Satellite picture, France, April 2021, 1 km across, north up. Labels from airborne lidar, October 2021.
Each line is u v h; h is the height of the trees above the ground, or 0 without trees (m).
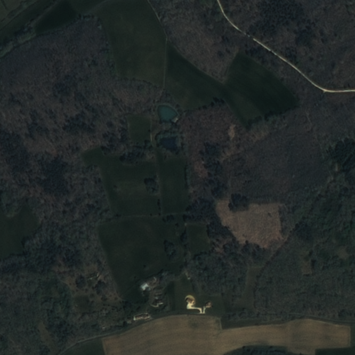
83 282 22
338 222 14
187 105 0
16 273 18
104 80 18
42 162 14
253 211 0
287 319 17
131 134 0
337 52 15
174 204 0
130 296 0
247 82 0
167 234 0
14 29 0
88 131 20
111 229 0
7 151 12
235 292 17
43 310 17
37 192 10
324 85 7
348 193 25
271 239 0
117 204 0
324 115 19
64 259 15
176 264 0
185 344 0
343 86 0
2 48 22
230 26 22
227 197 17
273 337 0
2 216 0
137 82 18
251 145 9
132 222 0
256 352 9
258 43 13
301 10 12
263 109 0
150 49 0
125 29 0
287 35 17
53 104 14
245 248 15
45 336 0
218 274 22
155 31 0
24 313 23
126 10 0
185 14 17
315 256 18
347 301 12
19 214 0
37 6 0
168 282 18
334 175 9
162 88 13
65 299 12
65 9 0
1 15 0
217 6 21
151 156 13
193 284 18
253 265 21
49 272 17
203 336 0
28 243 22
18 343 22
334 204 7
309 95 10
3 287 15
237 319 17
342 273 13
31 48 12
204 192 7
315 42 6
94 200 12
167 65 0
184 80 0
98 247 11
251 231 0
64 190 14
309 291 14
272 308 17
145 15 0
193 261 17
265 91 0
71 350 0
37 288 17
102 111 20
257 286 18
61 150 9
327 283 16
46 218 9
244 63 0
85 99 23
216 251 19
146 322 0
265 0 13
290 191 9
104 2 0
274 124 17
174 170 0
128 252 0
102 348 0
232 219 0
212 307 0
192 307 0
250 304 0
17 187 10
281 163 10
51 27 0
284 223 20
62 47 12
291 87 8
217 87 0
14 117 14
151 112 17
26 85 10
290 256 23
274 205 0
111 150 12
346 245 9
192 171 7
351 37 9
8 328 22
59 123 11
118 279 0
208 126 7
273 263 20
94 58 20
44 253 24
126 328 11
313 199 13
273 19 18
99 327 13
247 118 0
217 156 22
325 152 12
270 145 12
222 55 18
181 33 20
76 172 14
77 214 19
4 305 20
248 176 6
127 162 21
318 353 0
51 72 7
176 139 9
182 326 0
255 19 16
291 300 18
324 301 17
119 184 0
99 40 12
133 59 0
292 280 16
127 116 0
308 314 20
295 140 10
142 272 0
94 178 14
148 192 7
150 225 0
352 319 0
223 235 23
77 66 10
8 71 15
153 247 0
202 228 0
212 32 19
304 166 10
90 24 13
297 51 10
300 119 7
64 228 12
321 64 17
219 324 0
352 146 15
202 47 19
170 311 0
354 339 0
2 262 12
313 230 11
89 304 15
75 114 11
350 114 13
